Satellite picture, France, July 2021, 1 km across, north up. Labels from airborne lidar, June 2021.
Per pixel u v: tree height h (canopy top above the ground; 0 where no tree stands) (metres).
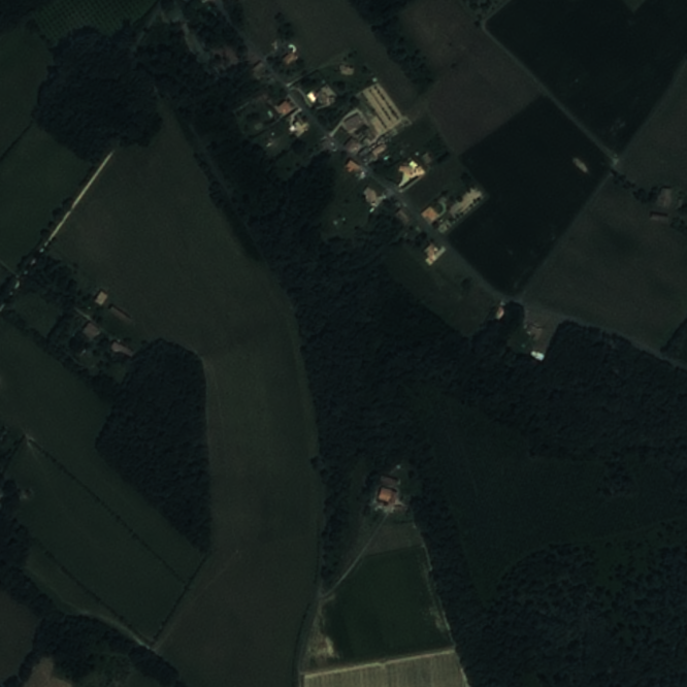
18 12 23
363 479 0
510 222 0
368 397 16
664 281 0
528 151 0
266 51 0
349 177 0
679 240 0
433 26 0
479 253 0
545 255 0
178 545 0
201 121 5
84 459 0
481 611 18
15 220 0
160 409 14
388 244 9
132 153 0
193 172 0
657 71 0
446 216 0
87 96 17
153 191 0
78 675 11
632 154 0
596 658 22
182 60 17
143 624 0
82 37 21
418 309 8
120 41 25
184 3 10
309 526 0
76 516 0
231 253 0
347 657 0
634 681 20
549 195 0
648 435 24
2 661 0
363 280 18
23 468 0
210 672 0
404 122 0
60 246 0
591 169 0
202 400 11
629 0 0
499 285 0
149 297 0
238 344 0
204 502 17
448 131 0
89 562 0
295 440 0
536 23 0
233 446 0
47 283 9
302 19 0
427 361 21
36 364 0
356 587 0
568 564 19
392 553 0
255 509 0
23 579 17
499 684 30
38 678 0
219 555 0
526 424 7
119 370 0
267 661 0
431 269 0
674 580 19
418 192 0
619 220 0
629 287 0
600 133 0
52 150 0
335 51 0
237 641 0
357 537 0
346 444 16
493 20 0
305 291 22
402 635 0
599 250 0
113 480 0
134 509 0
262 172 6
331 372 12
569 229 0
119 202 0
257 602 0
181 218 0
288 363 0
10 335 0
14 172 0
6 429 7
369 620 0
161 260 0
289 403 0
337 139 0
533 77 0
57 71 17
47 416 0
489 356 18
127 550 0
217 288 0
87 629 17
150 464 15
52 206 0
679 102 0
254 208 6
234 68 12
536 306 0
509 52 0
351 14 0
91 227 0
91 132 16
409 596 0
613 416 18
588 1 0
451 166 0
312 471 0
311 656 0
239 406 0
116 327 0
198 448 14
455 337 10
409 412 19
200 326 0
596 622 24
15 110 0
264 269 0
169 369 16
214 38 16
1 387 0
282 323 0
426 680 0
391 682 0
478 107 0
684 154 0
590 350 17
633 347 18
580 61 0
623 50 0
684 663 21
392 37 18
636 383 22
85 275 0
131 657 15
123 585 0
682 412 22
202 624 0
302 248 17
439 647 0
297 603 0
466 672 10
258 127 0
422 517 21
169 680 25
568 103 0
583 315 0
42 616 16
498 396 28
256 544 0
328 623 0
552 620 23
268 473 0
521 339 0
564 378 12
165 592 0
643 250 0
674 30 0
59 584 0
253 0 0
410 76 9
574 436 26
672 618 18
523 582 16
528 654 11
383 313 16
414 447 23
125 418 15
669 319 0
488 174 0
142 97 23
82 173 0
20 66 0
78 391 0
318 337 20
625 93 0
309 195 25
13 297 10
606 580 0
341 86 10
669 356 11
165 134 0
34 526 0
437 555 19
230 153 6
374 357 22
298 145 19
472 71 0
